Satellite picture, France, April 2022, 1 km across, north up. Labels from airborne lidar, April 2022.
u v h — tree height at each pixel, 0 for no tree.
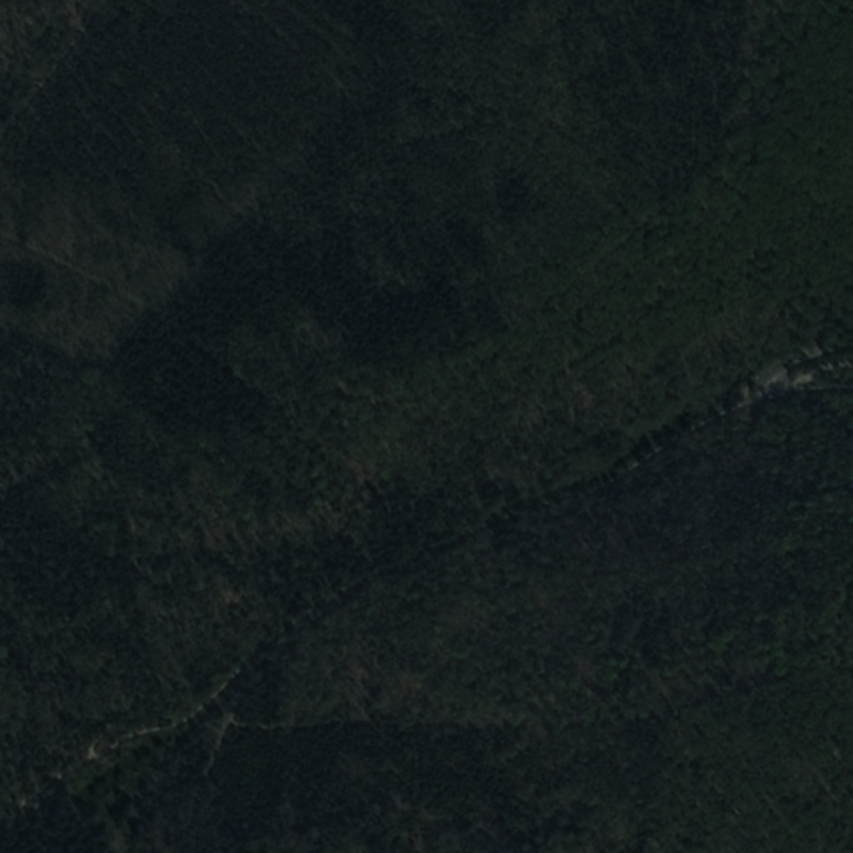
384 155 21
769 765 25
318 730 11
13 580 26
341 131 20
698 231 28
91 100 19
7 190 18
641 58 23
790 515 26
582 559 31
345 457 27
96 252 18
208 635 28
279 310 27
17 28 26
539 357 23
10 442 27
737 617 32
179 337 27
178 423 28
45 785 25
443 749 10
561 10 20
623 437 29
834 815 28
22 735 26
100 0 23
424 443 27
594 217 22
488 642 27
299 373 19
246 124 20
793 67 25
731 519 29
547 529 29
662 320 22
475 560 26
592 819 26
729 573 27
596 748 23
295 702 25
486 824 13
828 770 27
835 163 18
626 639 30
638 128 21
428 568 28
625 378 26
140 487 25
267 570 29
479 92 17
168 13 16
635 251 26
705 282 21
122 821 14
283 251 25
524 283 23
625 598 27
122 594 25
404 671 28
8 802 14
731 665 26
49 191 18
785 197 14
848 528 25
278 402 20
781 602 30
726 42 23
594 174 23
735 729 27
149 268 17
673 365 25
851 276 33
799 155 22
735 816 27
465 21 19
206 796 24
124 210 17
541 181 21
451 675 28
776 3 28
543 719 27
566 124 19
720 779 27
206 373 26
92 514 29
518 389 25
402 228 23
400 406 25
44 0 27
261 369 24
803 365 25
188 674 23
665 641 31
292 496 29
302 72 18
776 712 24
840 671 30
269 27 19
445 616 26
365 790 13
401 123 21
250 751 11
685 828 26
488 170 20
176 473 25
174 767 25
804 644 28
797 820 29
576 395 25
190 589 27
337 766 14
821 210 15
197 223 16
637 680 30
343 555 29
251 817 13
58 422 25
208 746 19
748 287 23
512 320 23
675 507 30
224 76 18
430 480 26
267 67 20
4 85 24
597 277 27
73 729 26
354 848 23
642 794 24
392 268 23
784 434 30
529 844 25
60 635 25
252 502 31
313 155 17
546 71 25
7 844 30
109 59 23
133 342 26
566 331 20
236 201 19
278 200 22
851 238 27
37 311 19
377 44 20
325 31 22
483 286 24
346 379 22
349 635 22
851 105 24
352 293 27
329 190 26
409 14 21
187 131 20
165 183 16
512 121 17
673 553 28
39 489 28
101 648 23
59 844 32
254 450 27
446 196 20
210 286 26
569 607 26
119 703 24
